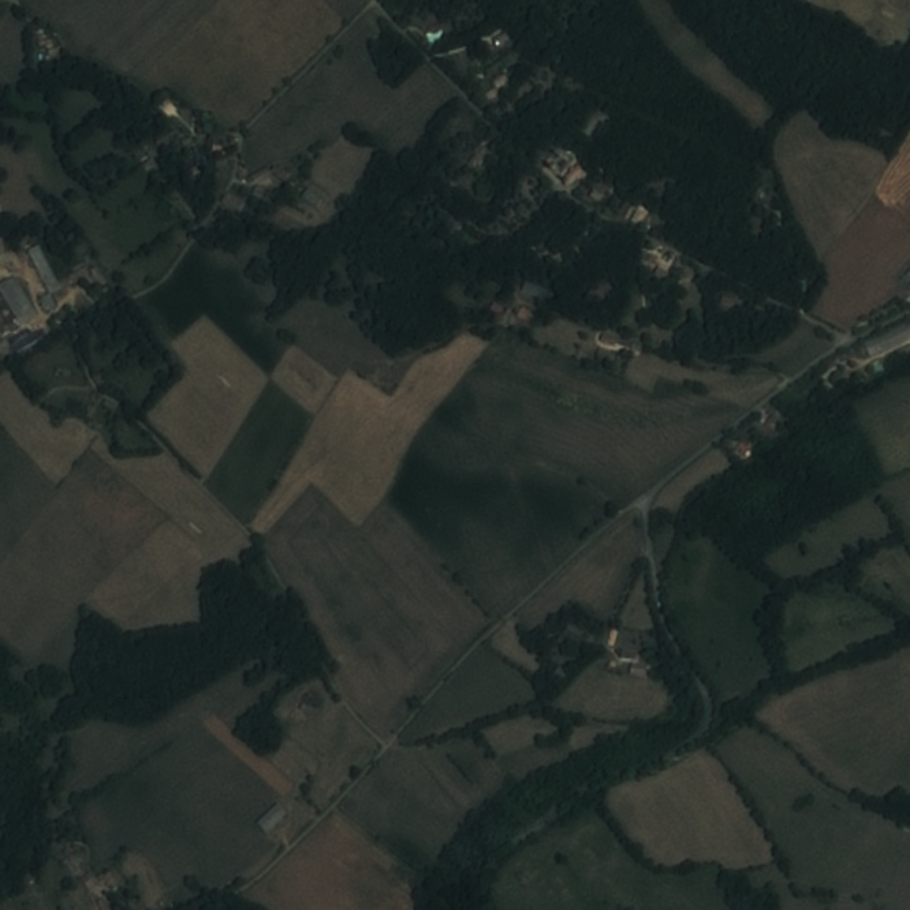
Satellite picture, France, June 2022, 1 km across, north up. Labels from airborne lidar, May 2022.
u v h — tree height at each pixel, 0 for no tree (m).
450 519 0
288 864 0
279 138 0
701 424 0
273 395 0
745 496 9
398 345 15
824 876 0
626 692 0
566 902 0
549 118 11
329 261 16
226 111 0
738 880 16
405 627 0
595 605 0
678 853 0
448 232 14
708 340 14
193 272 0
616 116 12
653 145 10
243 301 0
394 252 17
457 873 8
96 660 15
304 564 0
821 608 0
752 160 12
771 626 19
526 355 0
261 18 0
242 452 0
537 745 11
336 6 0
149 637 18
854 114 8
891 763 0
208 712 0
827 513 14
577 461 0
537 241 14
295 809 0
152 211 0
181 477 0
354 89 0
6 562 0
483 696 0
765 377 0
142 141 17
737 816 0
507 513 0
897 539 14
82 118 0
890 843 0
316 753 0
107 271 0
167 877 0
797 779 0
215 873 0
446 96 0
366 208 14
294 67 0
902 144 9
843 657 17
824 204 0
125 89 16
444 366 0
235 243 16
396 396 0
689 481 0
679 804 0
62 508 0
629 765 6
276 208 9
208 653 16
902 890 0
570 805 16
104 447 0
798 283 14
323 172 0
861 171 0
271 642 8
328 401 0
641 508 0
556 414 0
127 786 0
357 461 0
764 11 14
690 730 11
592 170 12
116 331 14
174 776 0
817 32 12
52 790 13
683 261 13
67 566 0
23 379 11
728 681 0
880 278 0
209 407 0
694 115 9
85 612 7
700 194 12
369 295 15
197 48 0
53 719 12
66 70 15
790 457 12
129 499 0
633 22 15
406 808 0
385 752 0
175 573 0
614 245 15
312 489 0
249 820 0
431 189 9
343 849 0
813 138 0
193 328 0
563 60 12
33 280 0
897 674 0
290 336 10
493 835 16
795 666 0
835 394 13
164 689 17
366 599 0
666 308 15
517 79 11
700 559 0
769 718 0
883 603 17
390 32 8
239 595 12
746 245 15
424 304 17
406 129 0
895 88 16
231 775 0
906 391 0
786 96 8
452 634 0
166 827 0
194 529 0
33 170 0
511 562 0
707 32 9
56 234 11
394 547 0
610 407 0
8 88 11
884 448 0
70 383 0
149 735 0
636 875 0
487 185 14
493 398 0
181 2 0
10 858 13
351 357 0
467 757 0
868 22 0
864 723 0
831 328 6
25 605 0
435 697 0
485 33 11
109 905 8
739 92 0
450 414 0
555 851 0
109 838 0
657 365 0
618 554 0
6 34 0
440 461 0
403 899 0
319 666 10
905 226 0
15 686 10
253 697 0
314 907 0
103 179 28
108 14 0
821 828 0
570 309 16
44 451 0
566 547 0
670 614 20
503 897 0
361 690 0
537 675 7
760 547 20
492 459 0
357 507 0
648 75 12
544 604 0
